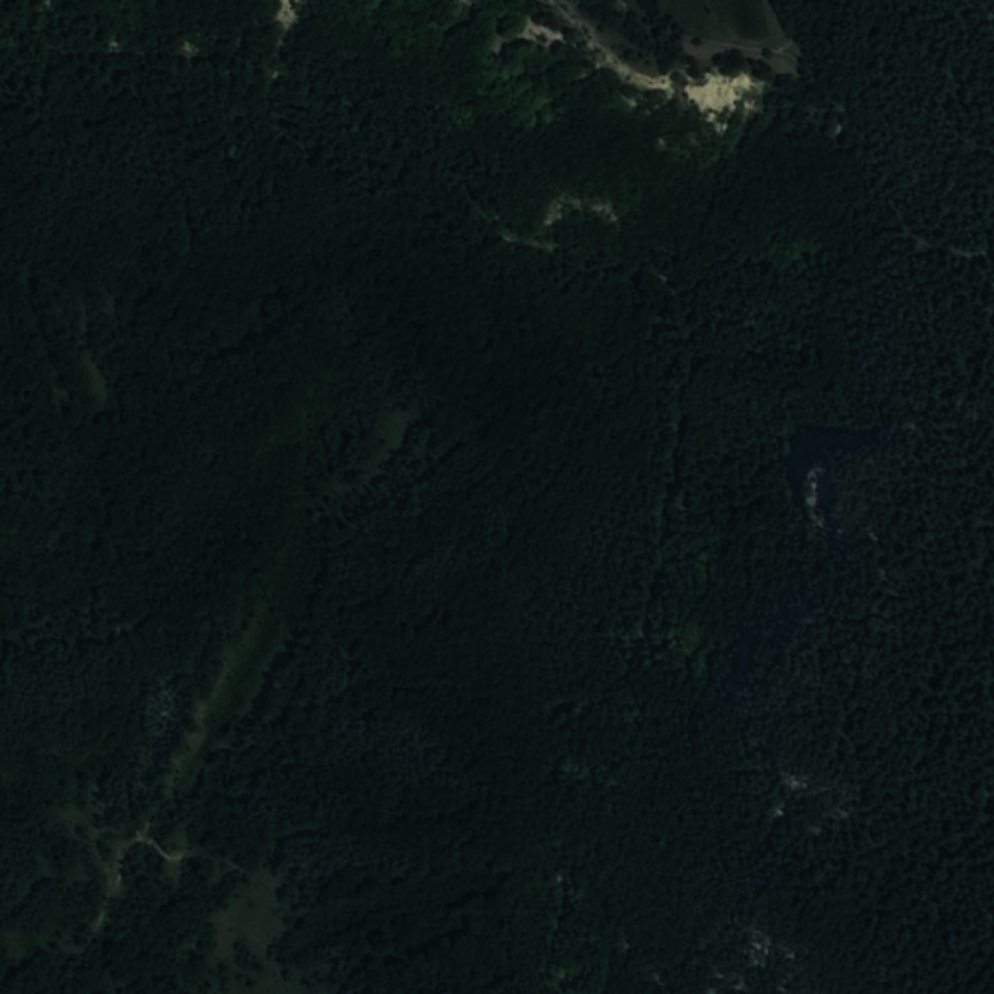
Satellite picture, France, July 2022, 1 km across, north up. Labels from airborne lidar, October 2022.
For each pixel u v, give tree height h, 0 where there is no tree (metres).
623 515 26
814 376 32
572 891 18
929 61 30
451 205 24
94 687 32
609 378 22
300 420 21
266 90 24
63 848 13
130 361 26
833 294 28
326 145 29
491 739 37
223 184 35
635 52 6
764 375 29
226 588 26
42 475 28
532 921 26
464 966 24
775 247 28
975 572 7
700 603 32
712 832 28
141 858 12
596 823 22
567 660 27
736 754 24
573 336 26
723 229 28
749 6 0
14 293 33
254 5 24
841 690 14
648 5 14
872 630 23
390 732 34
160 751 7
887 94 27
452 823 27
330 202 23
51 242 20
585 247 24
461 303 27
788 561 30
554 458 30
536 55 19
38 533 26
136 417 26
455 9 21
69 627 12
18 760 18
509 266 26
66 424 26
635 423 32
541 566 32
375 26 19
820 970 14
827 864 18
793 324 23
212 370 31
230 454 21
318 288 24
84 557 28
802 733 20
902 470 9
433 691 25
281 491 34
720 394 26
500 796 34
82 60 15
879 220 16
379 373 28
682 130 13
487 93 24
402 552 32
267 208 35
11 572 26
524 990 34
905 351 14
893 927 25
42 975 30
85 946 23
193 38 6
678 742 28
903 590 9
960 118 16
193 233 28
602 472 30
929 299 23
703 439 25
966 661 19
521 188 22
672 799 25
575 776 27
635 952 13
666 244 27
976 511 29
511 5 20
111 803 29
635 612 26
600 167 19
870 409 30
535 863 23
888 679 17
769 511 33
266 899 0
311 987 13
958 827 21
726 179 17
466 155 28
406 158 26
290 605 10
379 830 30
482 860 28
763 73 19
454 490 19
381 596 26
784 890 30
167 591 24
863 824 14
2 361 17
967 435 18
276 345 28
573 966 21
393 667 28
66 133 17
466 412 33
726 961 16
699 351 21
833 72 13
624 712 31
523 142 22
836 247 27
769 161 25
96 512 27
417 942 10
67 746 26
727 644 18
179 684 18
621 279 28
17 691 25
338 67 25
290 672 30
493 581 35
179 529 25
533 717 33
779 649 19
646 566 23
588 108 22
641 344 27
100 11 16
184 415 27
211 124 19
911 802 24
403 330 30
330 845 21
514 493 34
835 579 29
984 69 21
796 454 25
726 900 19
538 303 29
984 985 19
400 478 23
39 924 26
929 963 29
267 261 28
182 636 30
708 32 0
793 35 7
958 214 15
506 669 32
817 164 25
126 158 18
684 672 27
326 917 7
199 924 20
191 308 31
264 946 0
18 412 8
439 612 23
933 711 33
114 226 24
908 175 21
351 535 31
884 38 29
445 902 8
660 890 22
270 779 28
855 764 19
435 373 29
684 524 29
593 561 27
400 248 24
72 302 23
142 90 31
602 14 7
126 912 9
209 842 15
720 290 28
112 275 21
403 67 27
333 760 29
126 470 21
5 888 28
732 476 30
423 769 37
